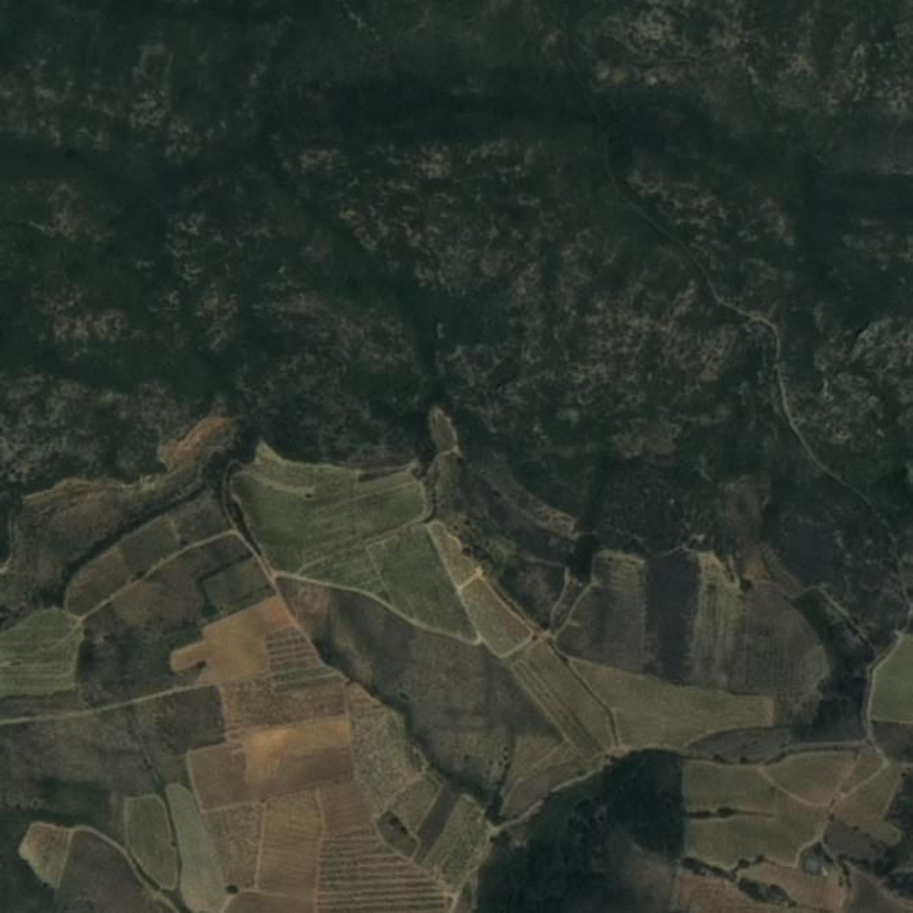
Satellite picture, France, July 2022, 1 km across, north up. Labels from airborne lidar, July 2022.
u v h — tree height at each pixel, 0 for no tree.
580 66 0
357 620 0
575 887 8
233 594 0
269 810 0
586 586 6
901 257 0
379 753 0
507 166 0
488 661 0
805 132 0
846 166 0
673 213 0
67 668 0
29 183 0
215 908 0
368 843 0
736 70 0
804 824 0
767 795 0
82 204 0
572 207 0
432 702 0
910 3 0
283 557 0
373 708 0
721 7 0
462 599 0
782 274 0
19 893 0
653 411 0
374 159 0
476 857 0
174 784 0
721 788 0
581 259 0
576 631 0
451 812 0
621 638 0
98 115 0
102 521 0
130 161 0
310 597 0
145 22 0
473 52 0
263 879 0
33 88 0
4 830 0
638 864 0
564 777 0
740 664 0
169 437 0
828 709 9
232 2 0
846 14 0
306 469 0
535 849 10
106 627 0
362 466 0
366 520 0
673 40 0
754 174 0
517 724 0
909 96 0
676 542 7
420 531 0
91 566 0
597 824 10
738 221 0
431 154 0
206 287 0
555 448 0
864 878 0
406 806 0
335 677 0
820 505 0
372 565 0
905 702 0
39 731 0
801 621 0
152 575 0
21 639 0
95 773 0
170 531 0
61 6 0
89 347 0
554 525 0
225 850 0
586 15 0
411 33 0
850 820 0
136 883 0
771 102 0
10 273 0
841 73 0
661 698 0
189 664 0
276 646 0
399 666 0
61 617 0
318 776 0
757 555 0
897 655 0
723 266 0
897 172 0
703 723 0
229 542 0
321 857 0
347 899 0
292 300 0
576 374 0
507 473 0
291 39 0
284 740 0
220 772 0
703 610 0
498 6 0
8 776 0
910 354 0
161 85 0
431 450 6
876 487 6
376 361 0
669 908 0
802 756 0
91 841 0
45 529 0
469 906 0
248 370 0
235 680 0
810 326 0
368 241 0
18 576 0
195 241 0
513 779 0
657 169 0
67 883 0
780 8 0
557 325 0
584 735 0
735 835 0
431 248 0
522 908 11
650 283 0
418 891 0
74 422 0
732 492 0
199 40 0
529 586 0
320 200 0
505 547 0
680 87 0
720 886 0
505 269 0
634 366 0
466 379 0
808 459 0
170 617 0
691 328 0
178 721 0
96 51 0
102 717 0
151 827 0
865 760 0
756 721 0
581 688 0
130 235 0
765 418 0
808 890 0
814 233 0
